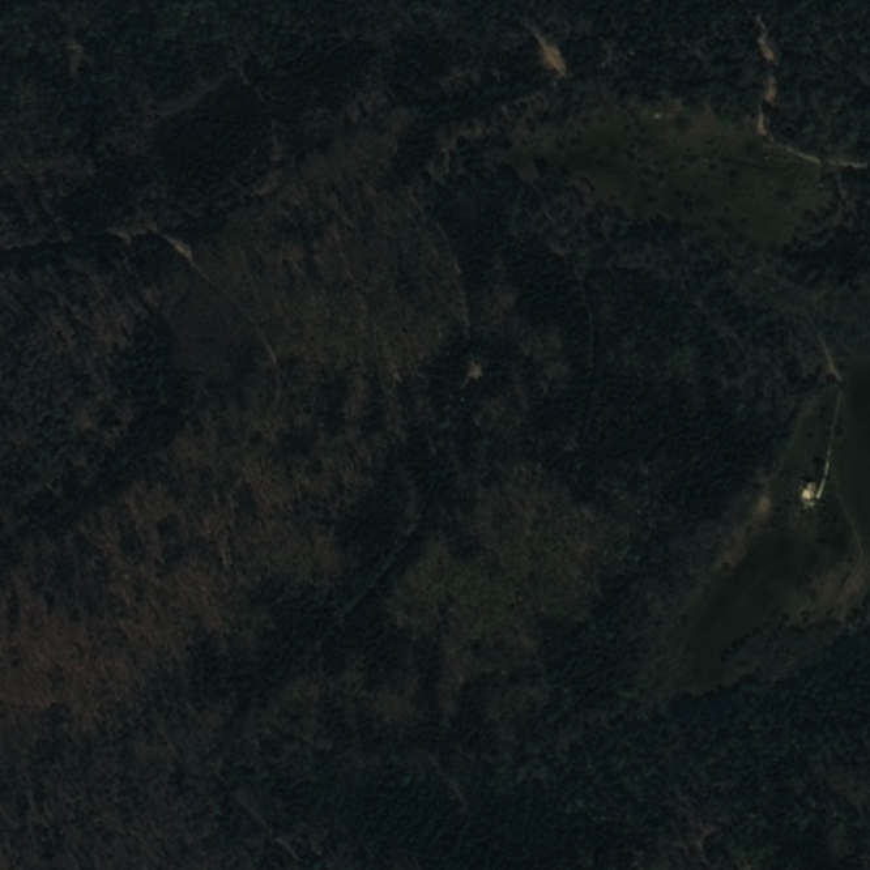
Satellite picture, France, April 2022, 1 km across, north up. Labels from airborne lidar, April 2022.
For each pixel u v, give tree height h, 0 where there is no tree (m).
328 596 30
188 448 22
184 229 20
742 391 14
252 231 17
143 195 28
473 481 26
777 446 28
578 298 27
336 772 22
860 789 17
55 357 31
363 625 23
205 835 31
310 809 24
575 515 24
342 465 22
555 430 22
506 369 15
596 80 25
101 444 8
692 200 7
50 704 24
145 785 30
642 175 9
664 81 24
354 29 30
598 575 26
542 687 19
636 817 18
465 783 27
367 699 25
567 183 13
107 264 8
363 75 11
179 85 26
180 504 25
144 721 25
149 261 8
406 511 21
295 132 9
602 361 26
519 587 26
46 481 13
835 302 19
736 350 26
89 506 22
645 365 21
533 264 27
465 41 10
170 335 17
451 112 16
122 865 29
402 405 22
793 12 26
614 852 14
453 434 22
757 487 32
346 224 19
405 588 26
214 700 26
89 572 28
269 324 16
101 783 26
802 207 0
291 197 17
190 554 27
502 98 22
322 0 27
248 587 23
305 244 25
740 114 25
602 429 28
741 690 17
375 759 23
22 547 24
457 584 24
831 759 14
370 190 21
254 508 27
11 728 26
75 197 10
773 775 16
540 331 22
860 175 19
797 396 25
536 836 23
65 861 30
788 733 12
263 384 16
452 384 20
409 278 21
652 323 20
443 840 17
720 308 24
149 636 24
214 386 16
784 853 18
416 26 28
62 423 32
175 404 20
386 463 27
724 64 28
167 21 29
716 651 0
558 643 20
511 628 23
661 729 39
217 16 27
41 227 8
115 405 11
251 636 25
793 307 22
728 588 0
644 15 32
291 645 24
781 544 0
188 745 25
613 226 38
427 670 30
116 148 7
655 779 14
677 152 0
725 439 24
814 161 0
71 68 28
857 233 13
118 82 28
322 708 29
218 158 7
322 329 21
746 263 22
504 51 8
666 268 28
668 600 33
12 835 27
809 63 30
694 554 33
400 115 16
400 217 22
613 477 19
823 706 30
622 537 27
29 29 30
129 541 31
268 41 26
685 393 21
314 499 23
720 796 14
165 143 9
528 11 31
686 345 22
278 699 26
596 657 32
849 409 0
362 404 24
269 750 32
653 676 16
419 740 24
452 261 19
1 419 24
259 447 22
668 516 23
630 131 9
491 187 25
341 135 13
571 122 27
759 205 0
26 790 23
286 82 9
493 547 23
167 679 31
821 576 0
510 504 22
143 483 24
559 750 32
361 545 26
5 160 29
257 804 26
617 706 36
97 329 20
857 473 0
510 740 24
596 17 29
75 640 25
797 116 7
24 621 27
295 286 20
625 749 14
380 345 22
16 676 25
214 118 7
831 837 17
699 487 25
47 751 21
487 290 23
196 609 28
